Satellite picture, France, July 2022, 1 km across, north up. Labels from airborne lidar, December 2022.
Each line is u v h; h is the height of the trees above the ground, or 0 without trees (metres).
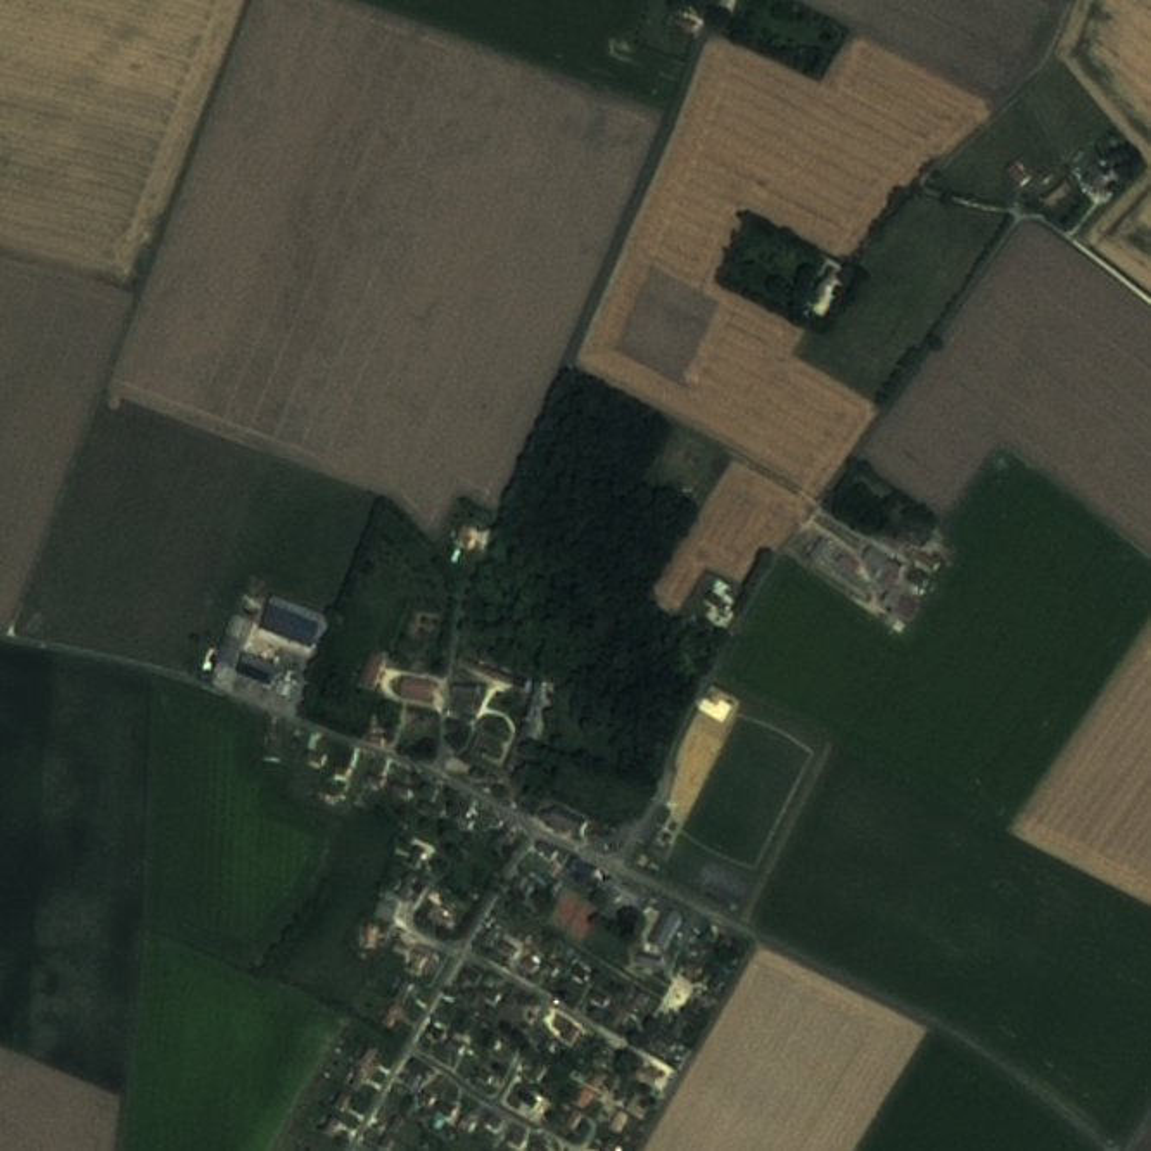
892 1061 0
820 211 0
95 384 0
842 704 0
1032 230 0
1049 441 0
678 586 0
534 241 0
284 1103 0
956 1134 0
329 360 0
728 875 0
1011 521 0
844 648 0
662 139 0
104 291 0
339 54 0
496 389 0
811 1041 0
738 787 0
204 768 0
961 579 0
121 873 0
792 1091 0
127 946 0
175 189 0
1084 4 0
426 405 0
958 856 0
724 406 0
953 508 0
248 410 0
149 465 0
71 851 0
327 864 0
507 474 0
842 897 0
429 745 8
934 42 0
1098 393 0
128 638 0
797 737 0
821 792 0
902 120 0
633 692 14
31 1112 0
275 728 0
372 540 9
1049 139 0
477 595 12
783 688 0
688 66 0
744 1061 0
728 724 0
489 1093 0
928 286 0
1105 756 0
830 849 0
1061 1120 0
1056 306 0
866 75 0
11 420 0
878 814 0
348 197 0
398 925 0
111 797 0
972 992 0
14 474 0
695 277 0
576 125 0
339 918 0
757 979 0
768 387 0
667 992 0
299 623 0
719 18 13
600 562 22
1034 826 0
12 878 0
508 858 9
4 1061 0
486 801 0
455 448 0
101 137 0
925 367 0
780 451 0
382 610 0
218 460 0
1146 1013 0
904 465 0
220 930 0
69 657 0
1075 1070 0
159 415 0
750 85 0
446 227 0
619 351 0
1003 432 0
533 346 0
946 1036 0
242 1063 0
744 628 0
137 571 0
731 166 0
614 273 0
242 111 0
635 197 0
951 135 0
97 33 0
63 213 0
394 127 0
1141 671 0
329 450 0
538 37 0
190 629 0
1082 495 0
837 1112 0
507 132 0
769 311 8
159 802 0
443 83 0
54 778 0
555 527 23
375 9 0
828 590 0
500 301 0
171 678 0
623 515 24
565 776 20
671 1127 0
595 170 0
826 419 0
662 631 19
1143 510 0
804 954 0
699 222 0
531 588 20
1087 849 0
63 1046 0
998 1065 0
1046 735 0
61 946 0
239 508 0
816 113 0
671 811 0
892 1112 0
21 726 0
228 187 0
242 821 0
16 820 0
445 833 13
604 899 13
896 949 0
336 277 0
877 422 0
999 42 0
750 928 0
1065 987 0
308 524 0
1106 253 0
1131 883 0
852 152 0
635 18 0
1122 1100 0
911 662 0
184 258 0
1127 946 0
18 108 0
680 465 0
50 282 0
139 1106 0
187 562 0
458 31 0
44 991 0
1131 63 0
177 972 0
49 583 0
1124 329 0
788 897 0
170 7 0
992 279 0
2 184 0
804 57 13
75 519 0
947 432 0
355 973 0
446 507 0
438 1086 0
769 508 0
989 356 0
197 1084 0
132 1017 0
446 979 0
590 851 0
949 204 8
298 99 0
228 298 0
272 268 0
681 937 0
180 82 0
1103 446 0
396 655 7
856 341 0
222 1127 0
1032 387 0
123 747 0
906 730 0
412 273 0
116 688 0
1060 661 0
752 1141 0
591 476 22
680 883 0
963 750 0
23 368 0
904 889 0
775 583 0
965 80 0
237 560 0
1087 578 0
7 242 0
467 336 0
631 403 14
